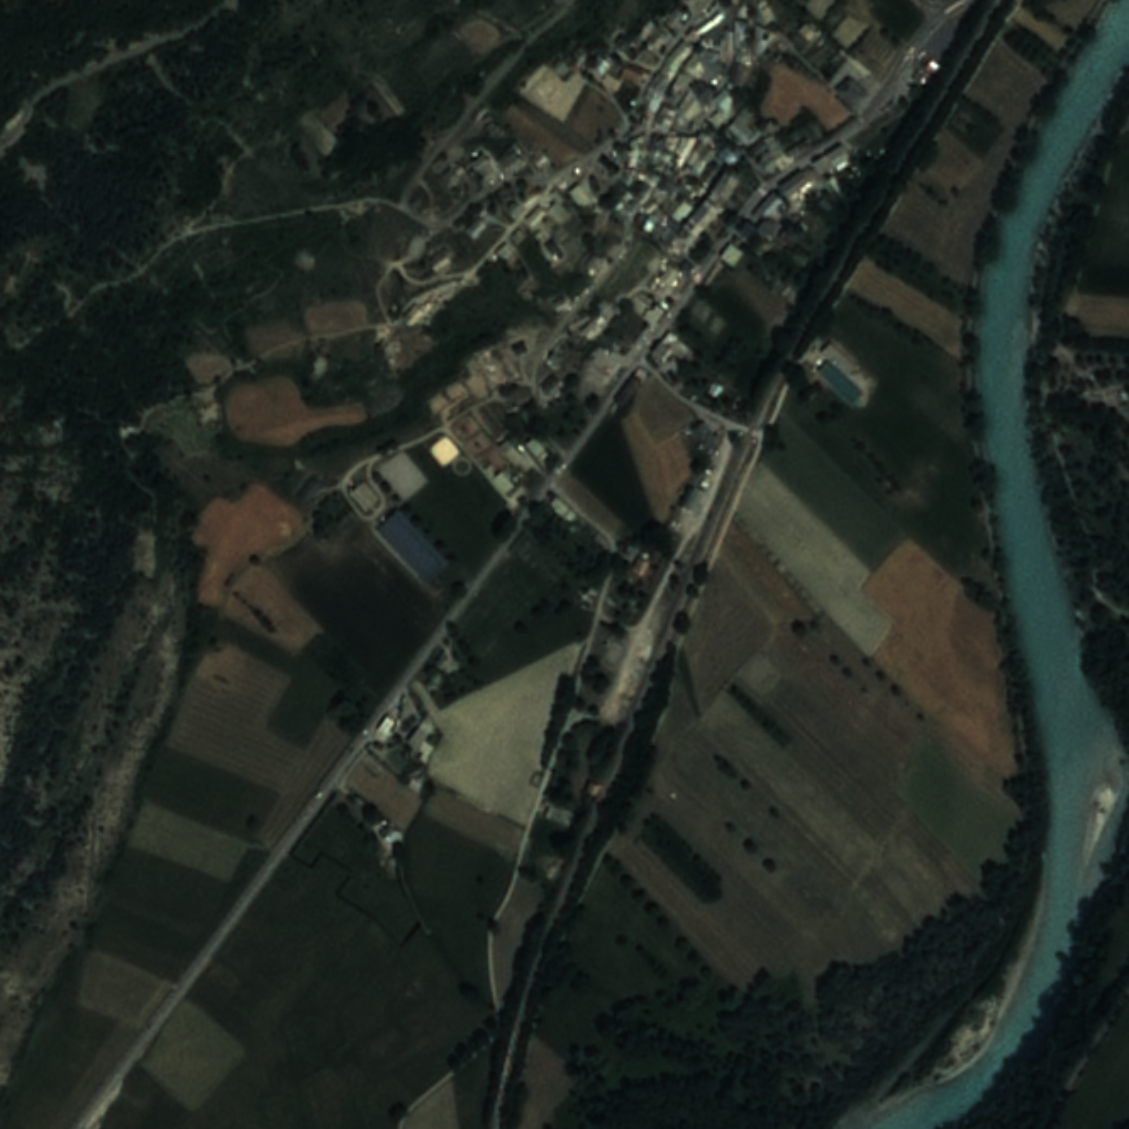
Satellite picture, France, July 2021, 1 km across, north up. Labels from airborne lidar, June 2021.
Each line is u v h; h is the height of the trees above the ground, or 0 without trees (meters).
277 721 0
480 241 0
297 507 0
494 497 0
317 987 0
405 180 0
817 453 0
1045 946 0
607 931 0
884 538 0
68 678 7
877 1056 12
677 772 0
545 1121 0
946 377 0
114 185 12
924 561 0
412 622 0
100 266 9
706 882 10
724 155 0
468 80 7
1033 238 0
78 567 10
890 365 0
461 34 0
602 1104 20
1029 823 8
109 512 7
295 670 0
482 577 0
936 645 0
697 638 0
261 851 0
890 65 0
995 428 0
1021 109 0
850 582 0
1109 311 0
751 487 0
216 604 0
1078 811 0
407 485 0
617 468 0
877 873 0
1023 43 8
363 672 0
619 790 11
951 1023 7
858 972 13
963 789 0
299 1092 0
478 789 0
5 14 9
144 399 11
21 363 10
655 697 10
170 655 0
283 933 0
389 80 0
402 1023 0
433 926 0
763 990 15
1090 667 20
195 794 0
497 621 0
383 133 12
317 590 0
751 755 0
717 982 0
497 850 0
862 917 0
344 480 0
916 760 0
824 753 0
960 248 0
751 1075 20
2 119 10
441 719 0
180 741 0
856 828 0
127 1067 0
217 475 0
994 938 12
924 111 14
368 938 0
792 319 12
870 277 0
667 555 9
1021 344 0
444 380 10
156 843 0
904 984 12
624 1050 20
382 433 9
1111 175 0
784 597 0
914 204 0
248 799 0
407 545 0
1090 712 0
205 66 11
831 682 0
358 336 0
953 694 0
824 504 0
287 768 0
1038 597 0
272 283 0
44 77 7
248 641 0
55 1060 0
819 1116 16
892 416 0
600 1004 0
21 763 8
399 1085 0
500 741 0
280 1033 0
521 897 0
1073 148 0
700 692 0
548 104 0
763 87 6
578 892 13
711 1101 19
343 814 11
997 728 0
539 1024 10
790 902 0
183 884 0
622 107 6
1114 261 0
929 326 0
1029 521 0
